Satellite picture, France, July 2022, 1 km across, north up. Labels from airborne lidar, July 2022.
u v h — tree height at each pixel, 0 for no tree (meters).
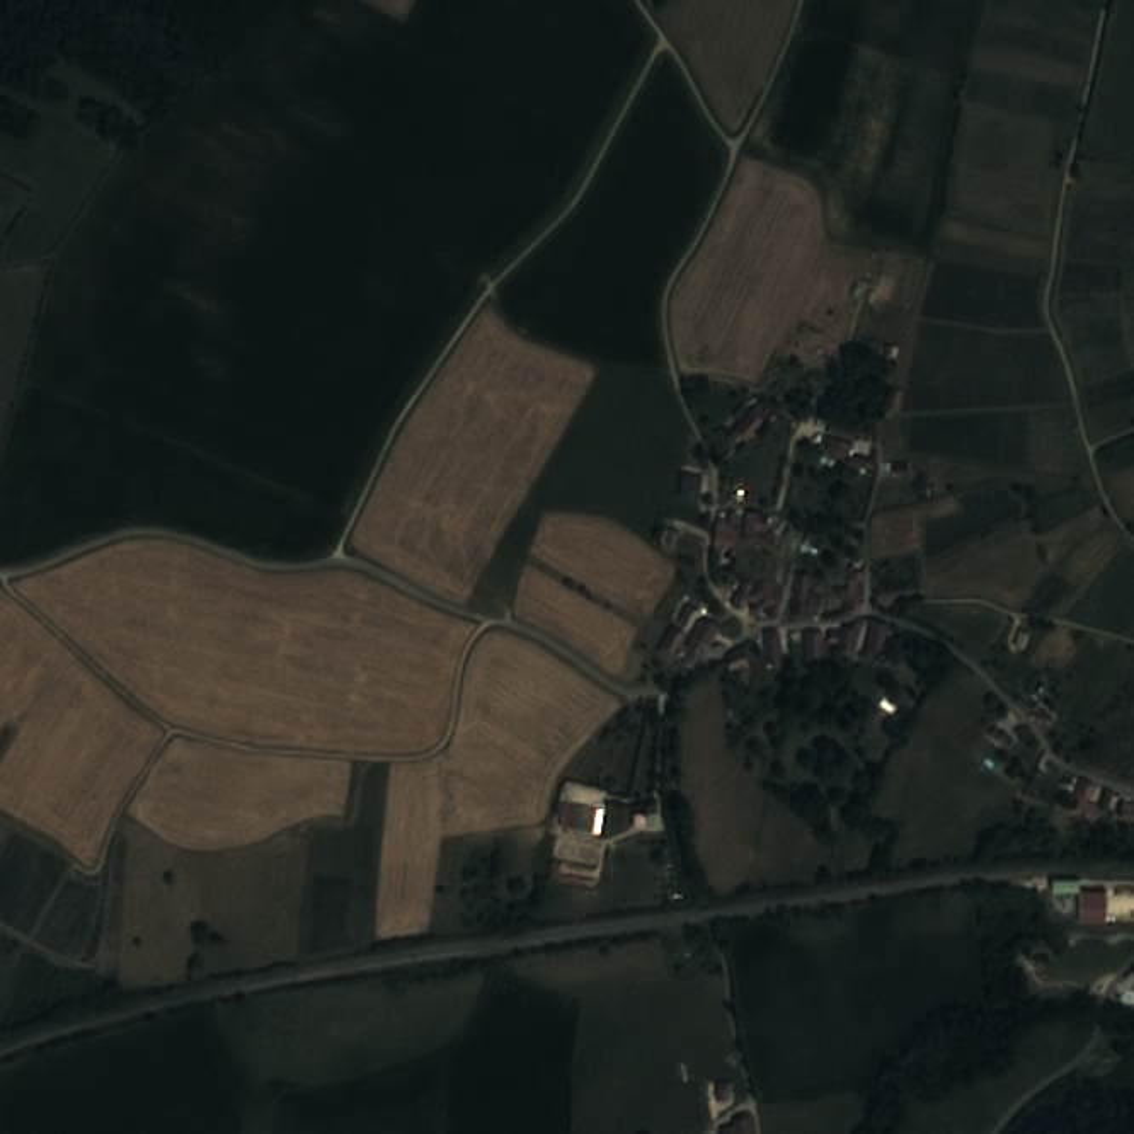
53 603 0
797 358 9
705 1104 0
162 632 0
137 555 0
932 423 0
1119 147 0
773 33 0
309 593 0
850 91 0
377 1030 0
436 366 0
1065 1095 0
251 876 0
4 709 0
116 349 0
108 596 0
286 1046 0
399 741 0
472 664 0
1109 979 0
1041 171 0
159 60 24
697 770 0
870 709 8
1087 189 0
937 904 0
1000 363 0
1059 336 0
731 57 0
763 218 0
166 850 0
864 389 23
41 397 0
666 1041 0
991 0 0
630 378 0
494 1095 0
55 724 0
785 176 0
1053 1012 19
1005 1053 23
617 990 0
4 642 0
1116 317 0
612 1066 0
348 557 0
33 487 0
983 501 0
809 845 0
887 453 0
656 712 12
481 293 0
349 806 0
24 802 0
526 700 0
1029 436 0
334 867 0
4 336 0
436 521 0
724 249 0
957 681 0
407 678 0
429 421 0
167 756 0
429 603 0
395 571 0
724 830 0
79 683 0
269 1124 0
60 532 0
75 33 25
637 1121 0
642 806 6
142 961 0
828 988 0
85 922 0
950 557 0
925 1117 0
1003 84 0
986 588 0
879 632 0
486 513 0
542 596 0
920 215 0
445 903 0
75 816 0
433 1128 0
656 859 11
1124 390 0
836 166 0
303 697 0
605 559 0
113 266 0
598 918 7
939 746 0
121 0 31
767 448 0
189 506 0
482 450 0
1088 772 0
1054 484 0
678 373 0
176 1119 0
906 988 0
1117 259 0
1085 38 0
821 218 0
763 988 0
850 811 18
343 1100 0
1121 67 0
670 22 0
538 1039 0
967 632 0
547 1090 0
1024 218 0
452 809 0
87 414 0
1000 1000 12
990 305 0
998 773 0
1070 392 0
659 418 0
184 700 0
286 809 0
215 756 0
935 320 0
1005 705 9
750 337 0
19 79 22
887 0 0
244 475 0
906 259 0
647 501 0
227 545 0
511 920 11
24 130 7
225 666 0
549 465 0
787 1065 0
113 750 0
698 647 0
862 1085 0
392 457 0
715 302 0
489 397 0
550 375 0
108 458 0
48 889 0
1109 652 0
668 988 0
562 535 0
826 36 0
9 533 0
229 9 22
